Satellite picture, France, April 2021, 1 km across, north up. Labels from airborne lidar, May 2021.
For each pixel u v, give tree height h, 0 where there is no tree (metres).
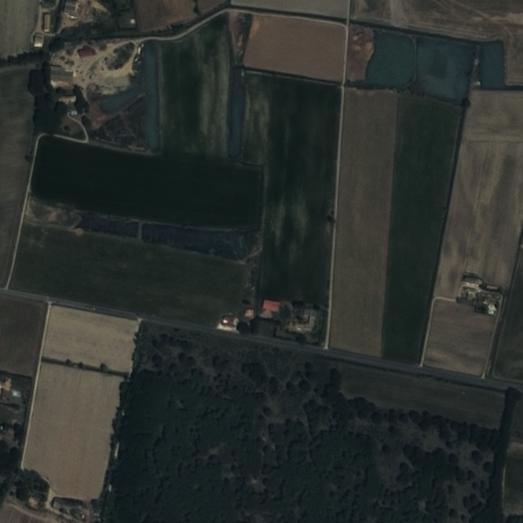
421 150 0
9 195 0
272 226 0
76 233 0
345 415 15
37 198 0
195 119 0
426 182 0
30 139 0
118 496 13
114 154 0
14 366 0
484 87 0
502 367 0
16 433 10
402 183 0
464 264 0
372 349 0
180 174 0
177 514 15
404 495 12
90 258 0
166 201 0
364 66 0
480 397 0
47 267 0
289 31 0
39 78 12
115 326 0
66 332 0
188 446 12
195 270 0
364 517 11
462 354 0
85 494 0
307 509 12
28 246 0
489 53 0
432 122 0
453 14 0
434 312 0
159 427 12
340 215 0
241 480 8
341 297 0
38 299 0
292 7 0
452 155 0
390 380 0
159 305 0
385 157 0
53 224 0
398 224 0
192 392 13
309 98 0
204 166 0
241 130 0
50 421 0
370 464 10
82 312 0
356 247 0
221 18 0
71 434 0
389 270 0
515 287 0
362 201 0
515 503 0
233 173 0
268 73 0
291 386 13
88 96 0
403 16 0
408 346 0
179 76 0
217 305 0
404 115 0
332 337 0
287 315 8
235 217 0
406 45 0
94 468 0
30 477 16
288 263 0
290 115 0
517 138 0
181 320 0
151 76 0
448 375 0
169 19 0
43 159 0
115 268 0
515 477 0
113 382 0
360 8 0
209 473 14
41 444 0
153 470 15
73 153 0
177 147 0
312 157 0
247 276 0
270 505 14
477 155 0
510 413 12
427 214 0
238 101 0
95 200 0
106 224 0
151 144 0
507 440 16
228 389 12
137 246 0
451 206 0
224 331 0
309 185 0
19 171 0
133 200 0
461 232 0
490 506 16
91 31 0
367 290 0
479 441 13
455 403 0
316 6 0
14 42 0
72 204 0
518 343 0
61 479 0
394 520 10
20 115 0
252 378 14
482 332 0
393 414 12
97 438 0
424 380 9
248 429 13
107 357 0
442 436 14
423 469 13
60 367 0
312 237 0
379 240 0
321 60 0
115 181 0
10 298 0
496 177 0
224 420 12
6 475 9
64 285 0
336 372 12
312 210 0
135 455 16
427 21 0
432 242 0
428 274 0
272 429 13
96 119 0
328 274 0
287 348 0
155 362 12
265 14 0
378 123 0
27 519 0
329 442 13
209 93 0
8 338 0
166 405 12
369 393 0
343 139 0
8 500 0
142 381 15
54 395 0
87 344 0
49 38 0
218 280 0
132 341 0
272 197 0
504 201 0
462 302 14
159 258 0
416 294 0
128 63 0
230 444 12
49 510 8
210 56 0
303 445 13
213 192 0
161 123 0
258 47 0
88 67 0
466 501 12
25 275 0
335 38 0
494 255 0
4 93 0
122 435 15
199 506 12
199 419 12
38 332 0
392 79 0
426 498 10
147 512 15
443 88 0
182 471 14
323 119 0
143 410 16
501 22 0
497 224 0
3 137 0
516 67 0
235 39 0
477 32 0
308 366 10
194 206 0
